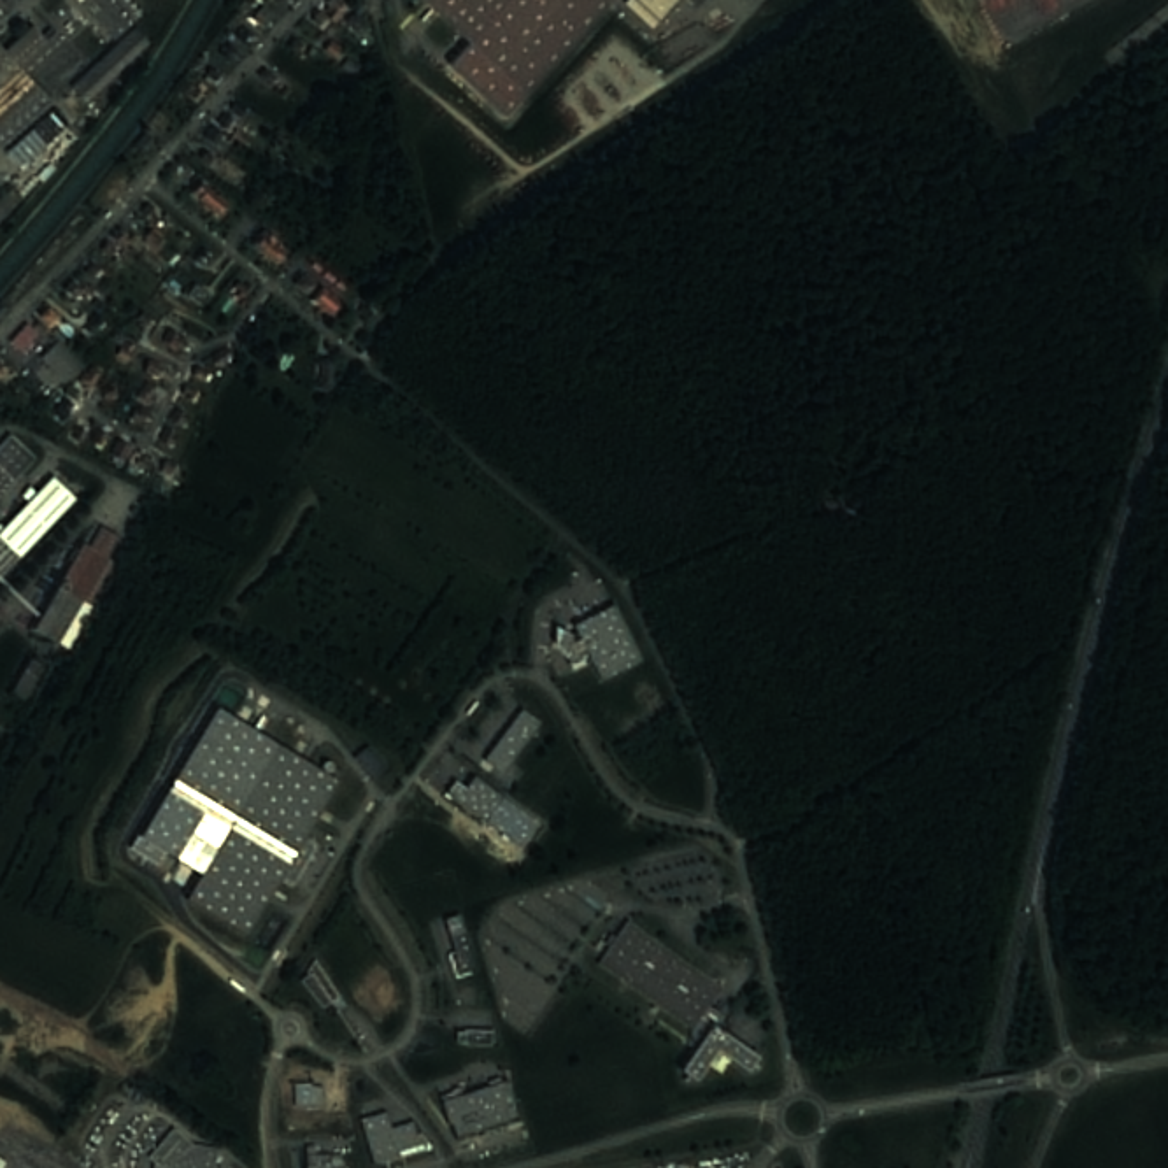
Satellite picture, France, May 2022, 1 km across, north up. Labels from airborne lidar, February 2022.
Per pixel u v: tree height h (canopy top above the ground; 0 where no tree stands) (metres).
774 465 26
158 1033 0
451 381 13
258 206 11
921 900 25
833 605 18
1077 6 0
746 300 27
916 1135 0
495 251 26
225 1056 0
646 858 0
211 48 0
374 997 22
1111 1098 0
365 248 0
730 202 25
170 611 7
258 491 0
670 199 27
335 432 0
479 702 0
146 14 0
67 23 0
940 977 23
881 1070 0
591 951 0
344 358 9
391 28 0
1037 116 0
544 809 0
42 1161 0
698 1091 0
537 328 25
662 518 13
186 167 0
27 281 0
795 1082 0
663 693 0
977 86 0
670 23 0
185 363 0
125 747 0
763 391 24
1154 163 27
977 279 27
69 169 0
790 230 26
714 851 0
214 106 0
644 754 7
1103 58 0
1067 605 20
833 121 25
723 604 14
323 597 6
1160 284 0
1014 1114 0
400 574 0
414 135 0
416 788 0
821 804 17
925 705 23
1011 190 30
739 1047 0
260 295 0
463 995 0
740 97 28
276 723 0
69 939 0
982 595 22
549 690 0
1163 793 29
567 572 0
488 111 0
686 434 18
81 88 0
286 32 0
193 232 0
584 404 15
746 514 19
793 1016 14
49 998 0
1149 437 0
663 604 14
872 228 28
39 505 0
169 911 0
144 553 7
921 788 27
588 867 0
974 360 29
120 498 0
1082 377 32
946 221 28
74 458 0
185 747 0
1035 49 0
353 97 22
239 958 0
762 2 0
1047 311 31
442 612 0
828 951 22
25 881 0
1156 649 25
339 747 0
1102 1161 0
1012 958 0
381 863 0
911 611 22
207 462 0
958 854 27
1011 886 12
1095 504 26
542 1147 0
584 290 28
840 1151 0
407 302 14
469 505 0
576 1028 0
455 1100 0
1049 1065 0
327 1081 0
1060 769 0
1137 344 29
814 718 13
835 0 20
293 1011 0
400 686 0
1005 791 26
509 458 15
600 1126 0
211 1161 0
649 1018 0
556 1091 0
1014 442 27
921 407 28
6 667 0
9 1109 0
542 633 0
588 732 0
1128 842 28
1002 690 26
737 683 17
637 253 23
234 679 0
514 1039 0
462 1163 0
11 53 0
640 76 0
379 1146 0
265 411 0
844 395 28
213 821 0
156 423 0
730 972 0
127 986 0
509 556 0
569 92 0
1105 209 26
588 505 10
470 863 0
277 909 0
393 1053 0
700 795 0
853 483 15
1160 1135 0
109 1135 0
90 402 0
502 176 0
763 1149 0
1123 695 26
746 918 0
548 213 30
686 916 0
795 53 26
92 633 13
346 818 0
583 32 0
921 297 27
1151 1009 23
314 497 0
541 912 0
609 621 0
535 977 0
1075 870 19
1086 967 23
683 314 22
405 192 18
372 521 0
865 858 19
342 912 6
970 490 24
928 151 25
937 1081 0
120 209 0
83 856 0
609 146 10
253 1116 0
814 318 29
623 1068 0
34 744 8
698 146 21
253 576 0
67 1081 0
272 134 10
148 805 0
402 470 0
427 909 0
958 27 0
